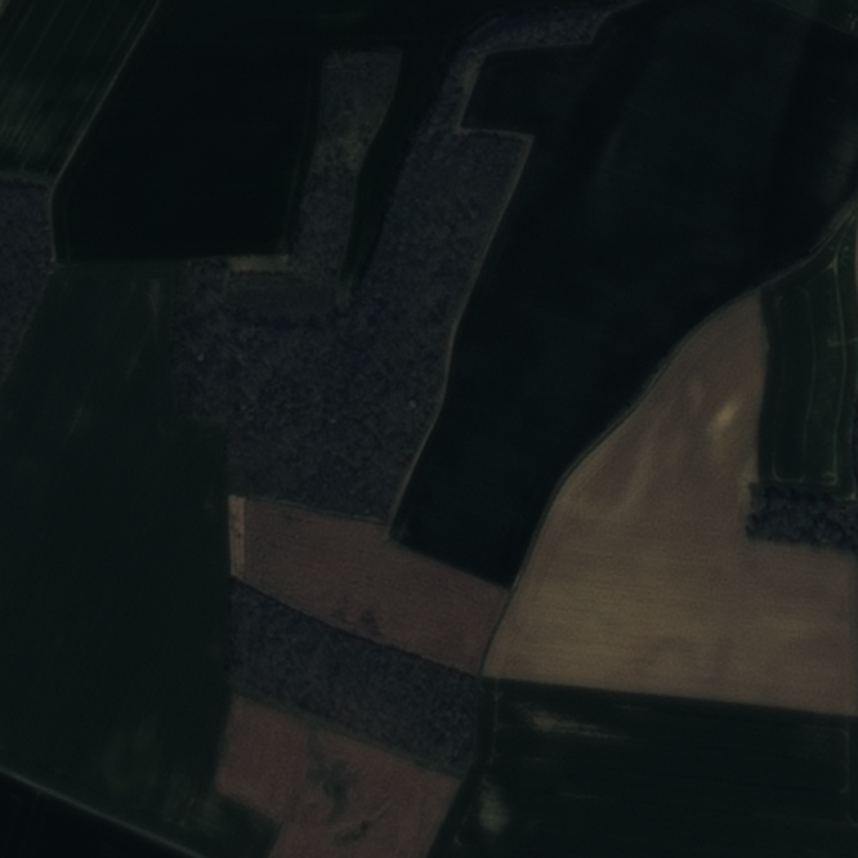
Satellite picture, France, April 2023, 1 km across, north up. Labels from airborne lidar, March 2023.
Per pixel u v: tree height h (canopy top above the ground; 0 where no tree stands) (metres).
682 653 0
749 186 0
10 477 0
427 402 19
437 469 0
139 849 0
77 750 0
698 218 0
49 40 0
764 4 0
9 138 0
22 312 24
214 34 0
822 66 0
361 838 0
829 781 0
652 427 0
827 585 0
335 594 0
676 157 0
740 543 0
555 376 0
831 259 0
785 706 0
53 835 0
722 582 0
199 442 0
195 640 0
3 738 0
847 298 0
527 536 0
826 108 0
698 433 0
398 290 21
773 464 0
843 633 0
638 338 0
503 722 0
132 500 0
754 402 0
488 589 0
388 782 0
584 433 0
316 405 27
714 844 0
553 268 0
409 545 0
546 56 0
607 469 0
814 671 0
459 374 0
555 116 0
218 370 26
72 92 0
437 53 0
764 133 0
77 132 0
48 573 0
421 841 0
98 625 0
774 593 0
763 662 0
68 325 0
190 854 0
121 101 0
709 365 0
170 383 0
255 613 19
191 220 0
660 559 0
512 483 0
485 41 9
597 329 0
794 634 0
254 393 22
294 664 16
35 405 0
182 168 0
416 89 0
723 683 0
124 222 0
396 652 8
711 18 0
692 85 0
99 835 0
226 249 0
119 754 0
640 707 0
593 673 0
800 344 0
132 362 0
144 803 0
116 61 0
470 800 0
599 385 0
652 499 0
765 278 0
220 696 0
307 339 13
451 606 0
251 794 0
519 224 0
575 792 0
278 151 0
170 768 0
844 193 0
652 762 0
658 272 0
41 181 0
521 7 0
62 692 0
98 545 0
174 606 0
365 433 26
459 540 0
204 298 18
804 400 0
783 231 0
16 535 0
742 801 0
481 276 0
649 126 0
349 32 0
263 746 0
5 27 0
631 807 0
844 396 0
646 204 0
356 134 0
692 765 0
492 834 0
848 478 0
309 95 0
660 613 0
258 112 0
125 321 0
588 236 0
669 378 0
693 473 0
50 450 0
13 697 0
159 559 0
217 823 0
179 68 0
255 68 0
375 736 18
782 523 21
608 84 0
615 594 0
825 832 0
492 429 0
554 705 0
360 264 0
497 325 0
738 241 0
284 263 0
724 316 0
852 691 0
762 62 0
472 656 0
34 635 0
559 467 0
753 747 0
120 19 0
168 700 0
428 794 0
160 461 0
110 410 0
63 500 0
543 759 0
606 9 6
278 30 0
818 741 0
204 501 0
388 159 0
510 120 0
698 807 0
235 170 0
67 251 0
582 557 0
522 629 0
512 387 0
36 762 0
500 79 0
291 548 0
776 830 0
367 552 0
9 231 24
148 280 0
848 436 0
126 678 0
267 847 0
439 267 20
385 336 20
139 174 0
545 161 0
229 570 0
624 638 0
